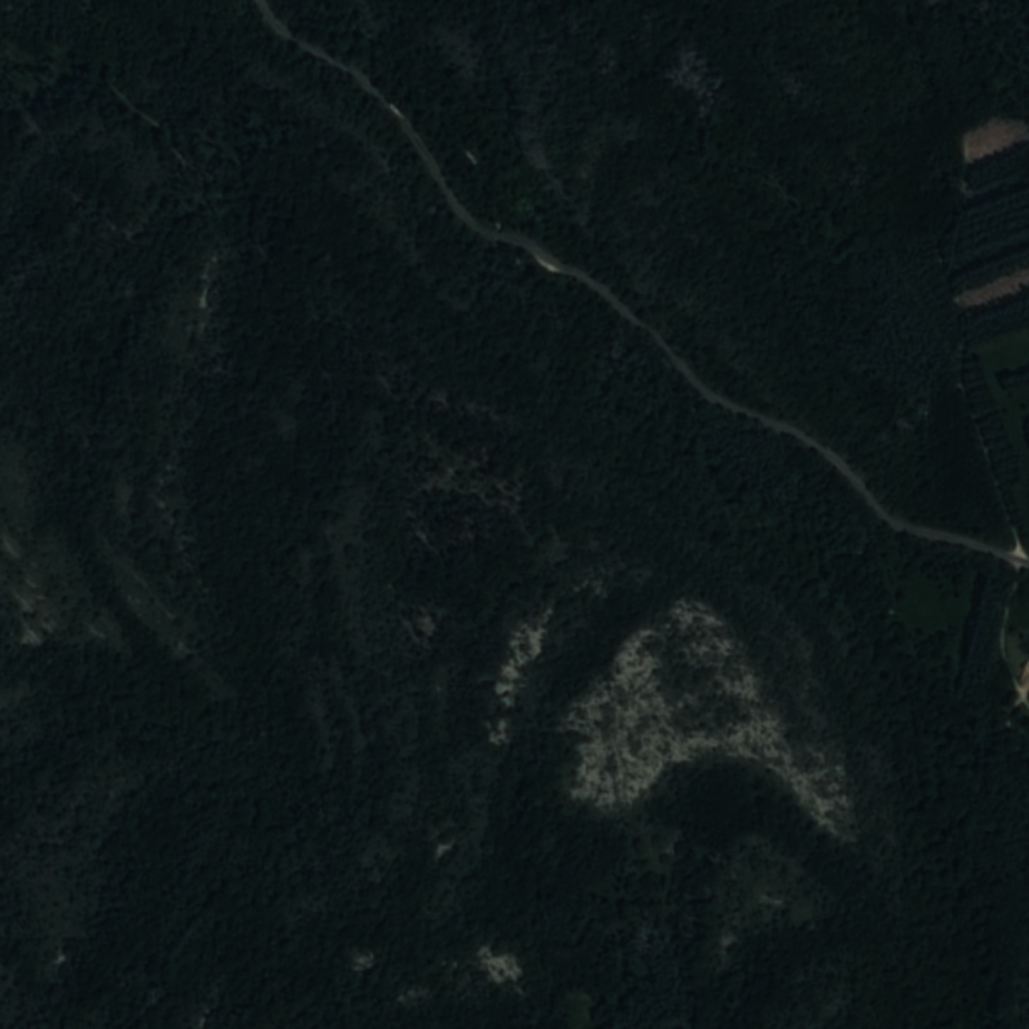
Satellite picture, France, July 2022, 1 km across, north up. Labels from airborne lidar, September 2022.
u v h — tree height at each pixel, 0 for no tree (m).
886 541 9
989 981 26
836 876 19
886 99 12
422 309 20
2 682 10
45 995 10
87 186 14
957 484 14
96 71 20
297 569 7
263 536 12
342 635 7
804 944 15
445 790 10
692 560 11
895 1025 12
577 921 14
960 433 12
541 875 15
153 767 6
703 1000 23
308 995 18
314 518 13
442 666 9
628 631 9
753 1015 21
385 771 14
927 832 24
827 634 12
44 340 13
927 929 26
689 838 13
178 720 22
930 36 13
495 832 9
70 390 18
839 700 17
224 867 8
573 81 16
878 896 14
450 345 22
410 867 11
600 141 10
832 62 12
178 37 22
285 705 9
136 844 15
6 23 15
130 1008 14
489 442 21
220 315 11
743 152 9
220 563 16
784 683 11
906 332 28
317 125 13
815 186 17
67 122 13
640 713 0
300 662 9
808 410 12
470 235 21
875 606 18
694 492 13
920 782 15
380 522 9
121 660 12
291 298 13
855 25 16
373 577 9
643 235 8
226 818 12
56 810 8
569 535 10
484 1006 8
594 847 13
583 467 7
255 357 13
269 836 20
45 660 11
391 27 6
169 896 19
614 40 16
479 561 16
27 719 11
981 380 17
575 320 13
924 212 12
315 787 18
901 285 26
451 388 14
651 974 0
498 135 11
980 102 19
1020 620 0
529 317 12
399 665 9
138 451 7
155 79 11
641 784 0
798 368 10
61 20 21
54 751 16
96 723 12
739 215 14
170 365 11
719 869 19
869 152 14
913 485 16
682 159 27
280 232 25
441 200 18
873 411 16
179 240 15
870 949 12
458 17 13
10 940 10
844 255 21
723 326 11
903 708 23
